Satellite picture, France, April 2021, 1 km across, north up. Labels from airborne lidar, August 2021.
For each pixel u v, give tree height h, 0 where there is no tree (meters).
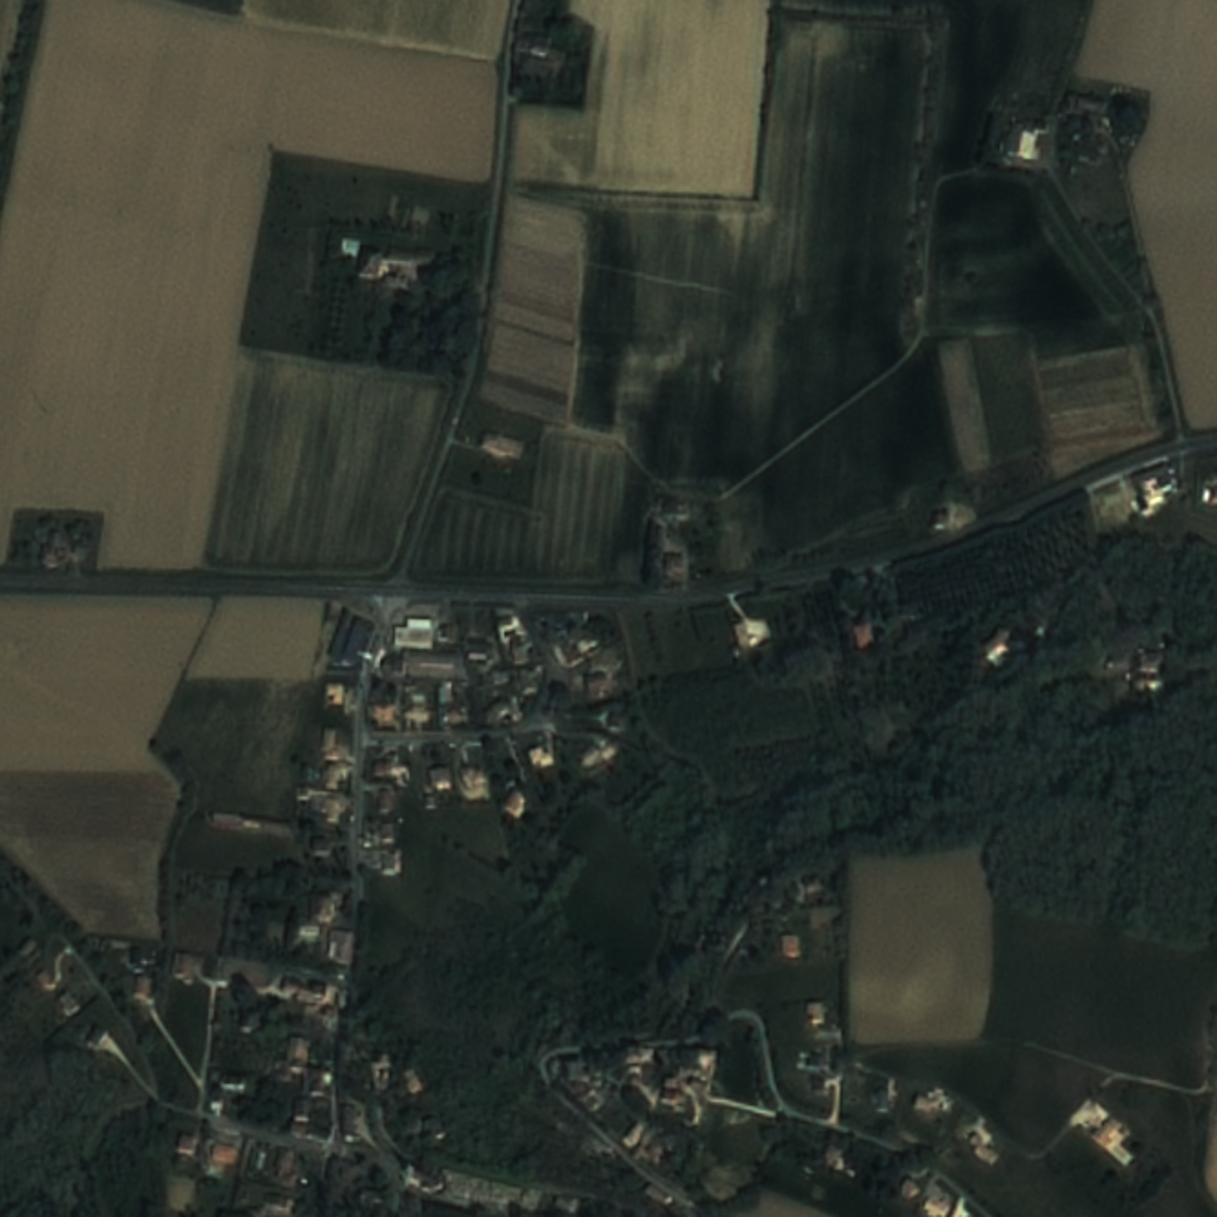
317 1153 0
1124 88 0
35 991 9
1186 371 0
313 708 0
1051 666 12
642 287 0
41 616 0
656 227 0
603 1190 15
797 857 18
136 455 0
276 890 11
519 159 0
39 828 0
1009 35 0
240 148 0
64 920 12
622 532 0
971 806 22
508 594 0
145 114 0
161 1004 14
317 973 10
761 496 0
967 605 8
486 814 0
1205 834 22
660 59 0
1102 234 6
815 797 24
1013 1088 0
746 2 0
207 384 0
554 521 0
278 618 0
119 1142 11
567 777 7
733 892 9
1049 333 0
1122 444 0
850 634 8
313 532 0
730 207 0
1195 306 0
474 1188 0
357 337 0
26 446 0
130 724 0
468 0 0
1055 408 0
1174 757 23
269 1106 14
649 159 0
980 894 0
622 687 10
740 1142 0
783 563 9
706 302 0
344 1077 15
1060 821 18
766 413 0
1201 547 17
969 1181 0
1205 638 5
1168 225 0
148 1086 0
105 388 0
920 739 11
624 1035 12
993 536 9
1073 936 0
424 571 0
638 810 10
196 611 0
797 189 0
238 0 0
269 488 0
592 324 0
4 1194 8
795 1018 0
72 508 0
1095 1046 0
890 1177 8
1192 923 22
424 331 15
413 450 0
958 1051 0
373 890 0
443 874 0
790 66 0
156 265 0
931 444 0
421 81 0
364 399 0
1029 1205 0
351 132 0
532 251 0
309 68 0
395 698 10
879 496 0
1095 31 0
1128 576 15
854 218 0
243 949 13
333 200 0
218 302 0
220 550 0
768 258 0
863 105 0
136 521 0
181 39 0
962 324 0
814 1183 0
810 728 8
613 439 0
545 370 0
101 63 0
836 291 0
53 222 0
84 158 0
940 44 7
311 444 0
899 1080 0
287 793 0
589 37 12
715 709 9
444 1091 10
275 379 0
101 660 0
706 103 0
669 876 7
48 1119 16
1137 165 0
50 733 0
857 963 0
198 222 0
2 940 0
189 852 0
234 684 0
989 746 19
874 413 0
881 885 0
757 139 0
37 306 0
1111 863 19
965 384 0
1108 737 25
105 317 0
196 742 0
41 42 0
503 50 0
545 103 9
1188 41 0
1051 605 17
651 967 9
